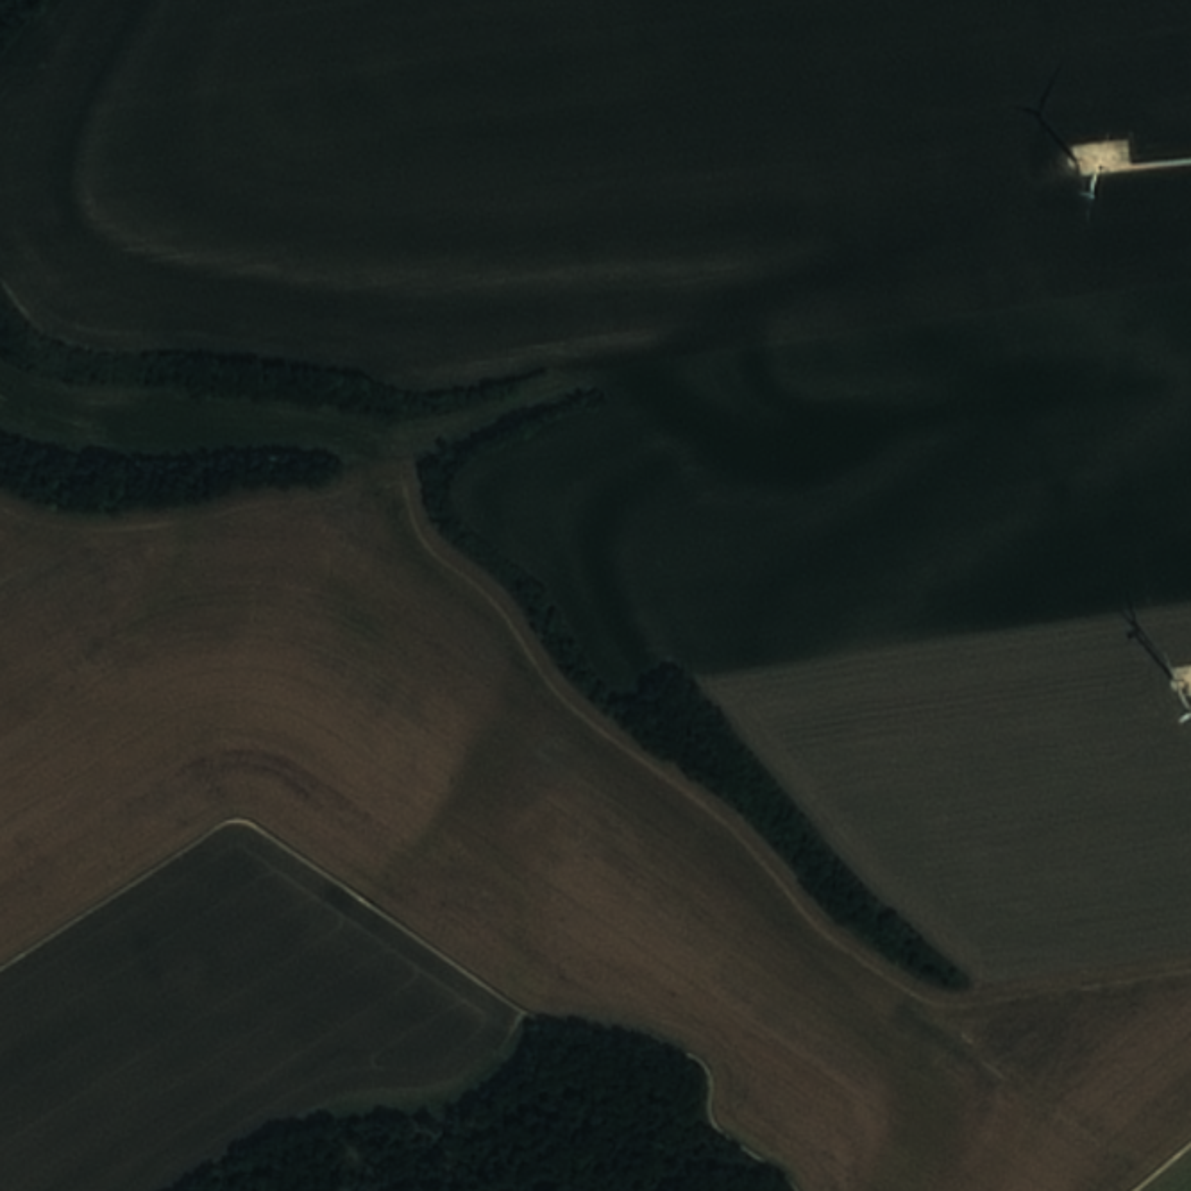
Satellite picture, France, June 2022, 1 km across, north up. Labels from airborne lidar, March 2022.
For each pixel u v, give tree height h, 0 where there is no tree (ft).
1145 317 0
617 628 0
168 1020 0
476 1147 52
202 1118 0
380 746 0
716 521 0
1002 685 0
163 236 0
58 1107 0
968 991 0
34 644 0
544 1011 0
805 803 0
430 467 43
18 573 0
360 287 0
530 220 0
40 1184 0
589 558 0
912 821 0
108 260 0
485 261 0
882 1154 0
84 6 0
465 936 0
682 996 0
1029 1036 0
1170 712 0
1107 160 0
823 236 0
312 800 0
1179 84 0
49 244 0
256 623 0
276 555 0
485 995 0
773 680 0
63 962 0
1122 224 0
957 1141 0
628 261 0
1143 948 0
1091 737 0
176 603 0
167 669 0
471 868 0
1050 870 0
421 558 0
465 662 0
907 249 0
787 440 0
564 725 0
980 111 0
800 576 0
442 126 0
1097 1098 0
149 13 0
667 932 0
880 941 44
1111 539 0
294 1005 0
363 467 0
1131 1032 0
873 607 0
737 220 0
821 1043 0
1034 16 0
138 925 0
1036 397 0
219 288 0
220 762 0
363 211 0
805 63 0
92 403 0
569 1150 69
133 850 0
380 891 0
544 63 0
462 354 0
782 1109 0
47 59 0
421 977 0
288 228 0
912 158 0
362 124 0
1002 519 0
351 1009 0
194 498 33
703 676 0
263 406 0
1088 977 0
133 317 0
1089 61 0
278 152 0
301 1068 0
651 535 0
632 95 0
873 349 0
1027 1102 0
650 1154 84
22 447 40
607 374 0
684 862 0
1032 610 0
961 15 0
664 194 0
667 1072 68
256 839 0
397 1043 0
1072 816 0
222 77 0
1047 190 0
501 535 0
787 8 0
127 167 0
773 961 0
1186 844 0
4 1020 0
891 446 0
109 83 0
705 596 0
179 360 46
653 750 67
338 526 0
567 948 0
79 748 0
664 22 0
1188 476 0
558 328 0
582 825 0
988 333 0
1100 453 0
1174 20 0
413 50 0
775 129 0
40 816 0
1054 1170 0
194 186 0
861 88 0
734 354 0
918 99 0
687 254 0
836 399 0
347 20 0
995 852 0
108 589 0
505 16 0
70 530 0
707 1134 29
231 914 0
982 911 0
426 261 0
